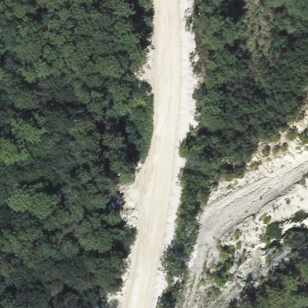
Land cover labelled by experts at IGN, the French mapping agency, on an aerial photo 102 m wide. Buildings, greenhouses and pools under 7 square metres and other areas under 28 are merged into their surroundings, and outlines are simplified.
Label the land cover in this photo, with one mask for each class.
<instances>
[{"label":"coniferous trees","instance_id":"1","mask_svg":"<svg viewBox=\"0 0 308 308\"><path fill-rule=\"evenodd\" d=\"M153 0H0V111L7 112L12 109L13 119L22 118L26 124L37 130L41 128L35 113L45 117L43 113L47 109L52 112L63 111L73 126L69 132H65V137L70 140L67 148L72 149V154L79 159L78 164L71 168V179L66 183L53 185L51 180L40 177L22 180L13 185L11 197L5 199L4 205L10 206L13 211H25L29 219L35 220V229H26L25 226L16 229L13 225H0V308H115L107 302V295L115 294L122 289V277L128 268L125 259L130 254L137 233L135 227L126 224L120 215L123 207L118 203L117 195L120 192L119 184L134 182L136 166L126 162V143L130 142V138L125 129L132 113L128 105V88L130 82L136 78L134 72L140 70L147 61L150 37L153 34ZM186 22L194 25L192 32L195 35V51L199 54V61L192 67V71L197 77H202L203 82L192 93V99L196 101L197 126H190L188 134L179 146V155L185 159V166L178 176L182 195L174 237L170 247L161 257L162 266L167 273V289L159 297L156 308H174L179 290H184L188 282V262L199 236L200 224L196 220V215L205 209L209 195L217 190L219 182L242 178L245 165L256 152L257 144L262 140L278 141L280 131H284L289 123L300 122L304 118V105H308V0H194V11L186 18ZM241 297L238 300L233 298L226 308H308V268L303 263L291 266L288 261H280L276 268L269 269L267 276L253 277L248 273L243 291L239 294Z\"/></svg>","mask_w":308,"mask_h":308},{"label":"pervious surface","instance_id":"2","mask_svg":"<svg viewBox=\"0 0 308 308\"><path fill-rule=\"evenodd\" d=\"M153 34L150 37L147 61L140 70L134 72L136 78L148 82L154 95L152 141L146 160L138 162L136 166L134 182L119 184L120 192L117 195L118 203L123 207L120 215L126 224L135 227L137 233L130 254L125 259L128 268L122 277V289L115 294L107 295V302L115 308H156L159 297L167 289V273L162 266L161 257L170 247L174 237L182 195L178 176L185 166V159L179 155V146L188 134L190 126H197L196 101L192 99V93L203 82L202 77H197L192 71V67L199 61V54L195 51V35L192 32L194 25L186 22V18L194 11V0H153ZM304 118L300 122L289 123L284 131H280L278 141L262 140L257 144L256 152L245 165L242 178L219 182L217 190L209 195L205 209L196 215V220L200 224L199 236L188 262V282L184 290H179L174 308H226L233 298L238 300L241 297L239 294L243 291L248 273L253 277L267 276L269 269L276 268L280 261H288L290 247H285L282 253L278 248H265V245L276 241V238L267 235V226L278 221L282 232L291 227H308V105H304ZM223 245H232L235 248V259L229 269L233 274L231 282L221 286L215 282V278L209 277L217 268L220 261L219 250Z\"/></svg>","mask_w":308,"mask_h":308},{"label":"deciduous trees","instance_id":"3","mask_svg":"<svg viewBox=\"0 0 308 308\"><path fill-rule=\"evenodd\" d=\"M45 117L35 113L41 128L37 130L26 124L22 118L13 119L12 109L7 112L0 111V225H13L16 229L25 226L26 229H35V220L29 219L25 211H13L10 206L4 205L5 199L11 197L13 185L22 180L40 177L51 180L53 185L66 183L71 179V168L78 164L79 159L72 154V149L67 148L70 140L65 137V132H69L73 126L63 111L52 112L47 109L43 113Z\"/></svg>","mask_w":308,"mask_h":308},{"label":"brushwood","instance_id":"4","mask_svg":"<svg viewBox=\"0 0 308 308\"><path fill-rule=\"evenodd\" d=\"M128 105L132 113L125 129L130 138V142L126 143V162L136 166L138 162L146 160L152 141L154 95L148 82L136 78L130 82L128 88ZM267 235L276 238V241L265 245V248H278L282 253L285 247H290L288 261L291 266L303 263L308 268V227H291L282 232L278 221L267 226ZM220 261L217 268L209 277L215 278V282L221 286L231 282L233 274L229 269L235 259V248L232 245H223L219 250Z\"/></svg>","mask_w":308,"mask_h":308}]
</instances>
